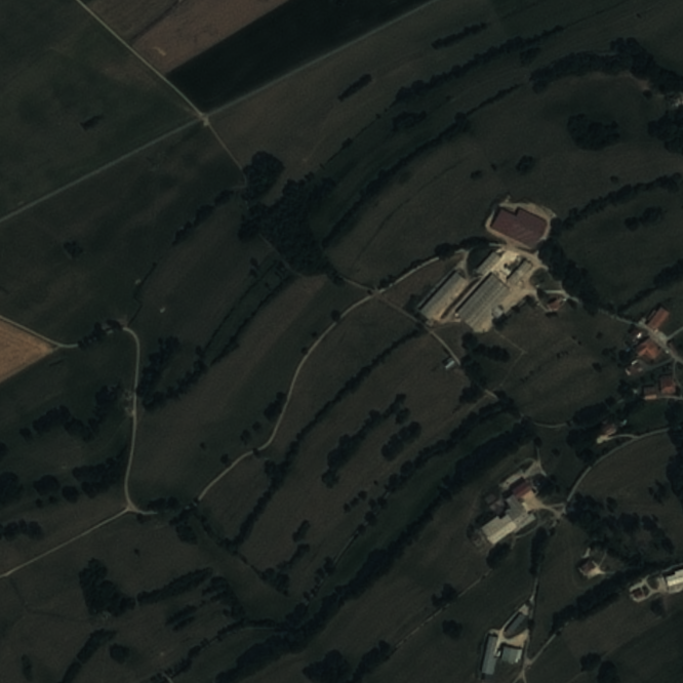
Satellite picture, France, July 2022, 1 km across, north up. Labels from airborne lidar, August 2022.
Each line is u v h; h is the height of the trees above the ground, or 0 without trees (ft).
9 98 0
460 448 0
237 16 0
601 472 0
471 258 0
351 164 0
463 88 0
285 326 0
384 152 0
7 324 0
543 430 0
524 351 0
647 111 0
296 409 0
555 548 0
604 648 0
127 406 0
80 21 0
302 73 0
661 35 0
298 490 0
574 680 0
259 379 0
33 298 0
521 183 0
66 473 0
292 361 0
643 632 0
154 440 0
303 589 0
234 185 0
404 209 0
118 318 0
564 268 50
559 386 0
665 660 0
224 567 0
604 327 0
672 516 0
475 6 0
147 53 0
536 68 0
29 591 0
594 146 34
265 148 0
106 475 66
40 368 0
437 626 0
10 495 66
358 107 0
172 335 0
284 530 0
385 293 0
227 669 0
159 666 0
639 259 0
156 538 0
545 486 82
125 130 0
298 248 57
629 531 93
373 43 0
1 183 0
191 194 0
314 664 0
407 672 0
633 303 28
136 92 0
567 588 0
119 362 0
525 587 0
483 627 0
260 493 0
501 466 0
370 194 41
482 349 47
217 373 0
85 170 0
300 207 48
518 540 0
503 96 31
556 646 0
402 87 0
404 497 0
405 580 0
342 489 0
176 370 0
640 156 0
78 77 0
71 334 0
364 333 0
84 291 0
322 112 0
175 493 0
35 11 0
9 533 58
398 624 0
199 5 0
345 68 0
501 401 36
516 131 0
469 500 0
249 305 0
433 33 0
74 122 0
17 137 0
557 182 0
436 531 0
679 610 0
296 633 77
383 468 0
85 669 0
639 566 36
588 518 91
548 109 0
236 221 0
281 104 0
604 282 0
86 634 0
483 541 0
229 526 0
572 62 55
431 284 0
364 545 0
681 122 60
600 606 58
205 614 0
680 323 0
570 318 0
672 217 0
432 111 0
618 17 0
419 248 0
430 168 0
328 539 0
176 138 0
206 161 0
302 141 0
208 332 0
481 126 0
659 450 0
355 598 35
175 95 0
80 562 0
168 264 0
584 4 0
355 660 0
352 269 0
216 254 0
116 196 0
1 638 0
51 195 0
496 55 51
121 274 0
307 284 0
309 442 0
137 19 0
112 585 26
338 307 0
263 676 0
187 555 0
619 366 23
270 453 0
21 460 0
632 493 0
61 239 0
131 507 0
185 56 0
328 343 0
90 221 0
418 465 43
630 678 0
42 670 0
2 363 0
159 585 0
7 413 0
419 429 35
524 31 0
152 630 0
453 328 0
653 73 62
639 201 0
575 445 46
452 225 0
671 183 71
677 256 0
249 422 0
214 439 0
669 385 0
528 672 0
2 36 0
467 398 51
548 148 0
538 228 0
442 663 0
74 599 0
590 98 0
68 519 0
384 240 0
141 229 0
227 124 0
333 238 25
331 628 0
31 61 0
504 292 0
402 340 18
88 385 0
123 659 40
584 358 0
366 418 0
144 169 0
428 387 0
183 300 0
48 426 59
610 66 53
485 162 0
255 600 0
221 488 0
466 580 0
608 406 34
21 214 0
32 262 0
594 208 24
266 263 0
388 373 0
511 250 0
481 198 0
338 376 0
